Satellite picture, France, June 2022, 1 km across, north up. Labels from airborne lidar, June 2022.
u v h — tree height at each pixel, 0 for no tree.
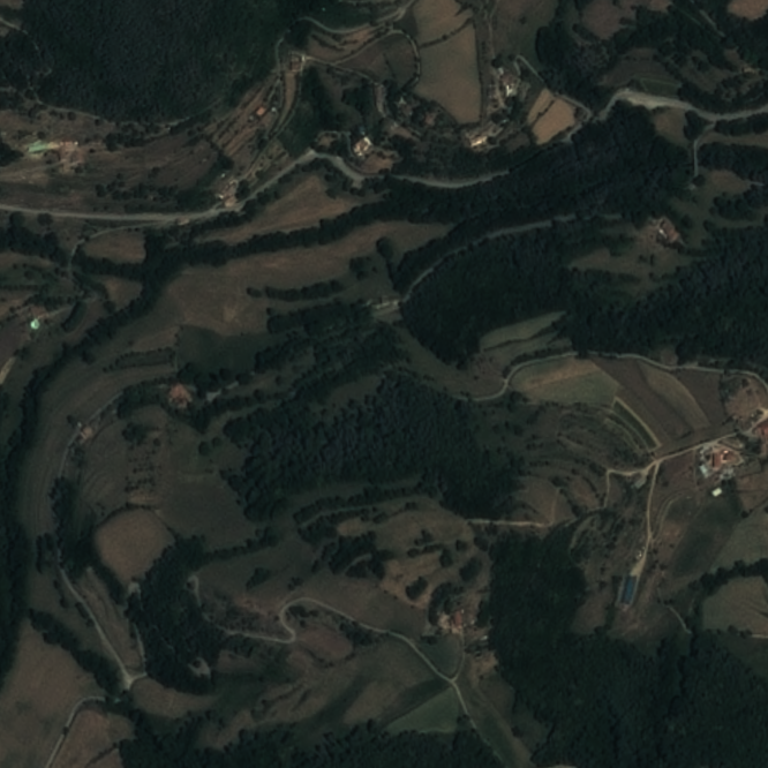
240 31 10
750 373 9
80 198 0
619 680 16
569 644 19
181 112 9
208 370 0
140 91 15
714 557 0
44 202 0
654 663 23
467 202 24
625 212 11
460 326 10
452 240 13
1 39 10
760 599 0
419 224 11
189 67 15
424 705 0
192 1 13
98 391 0
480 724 0
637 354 15
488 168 7
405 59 0
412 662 0
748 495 0
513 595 10
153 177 8
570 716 17
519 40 0
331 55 0
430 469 16
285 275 0
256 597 0
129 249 0
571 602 9
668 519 0
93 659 19
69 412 0
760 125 21
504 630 10
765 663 0
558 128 0
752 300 20
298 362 11
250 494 10
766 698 20
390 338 15
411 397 16
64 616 0
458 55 0
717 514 0
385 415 21
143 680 0
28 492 0
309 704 0
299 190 0
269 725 0
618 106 20
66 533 15
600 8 0
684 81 11
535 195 18
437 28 0
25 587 19
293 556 0
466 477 21
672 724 26
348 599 0
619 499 0
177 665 17
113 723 0
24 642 0
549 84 16
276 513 12
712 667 17
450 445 19
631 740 32
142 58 14
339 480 11
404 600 0
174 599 14
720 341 13
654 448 0
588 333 15
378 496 14
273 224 0
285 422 14
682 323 24
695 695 21
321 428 8
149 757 19
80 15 11
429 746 12
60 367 12
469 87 0
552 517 0
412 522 0
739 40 13
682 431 0
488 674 0
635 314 13
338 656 0
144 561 0
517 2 0
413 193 10
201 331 0
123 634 0
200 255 12
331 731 0
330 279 0
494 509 11
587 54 13
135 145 16
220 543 0
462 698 0
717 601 0
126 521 0
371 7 7
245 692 0
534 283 22
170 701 0
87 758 0
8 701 0
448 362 17
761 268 16
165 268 15
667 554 0
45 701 0
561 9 13
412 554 10
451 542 0
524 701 13
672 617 0
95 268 16
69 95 14
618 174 23
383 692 0
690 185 10
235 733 0
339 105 0
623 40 16
